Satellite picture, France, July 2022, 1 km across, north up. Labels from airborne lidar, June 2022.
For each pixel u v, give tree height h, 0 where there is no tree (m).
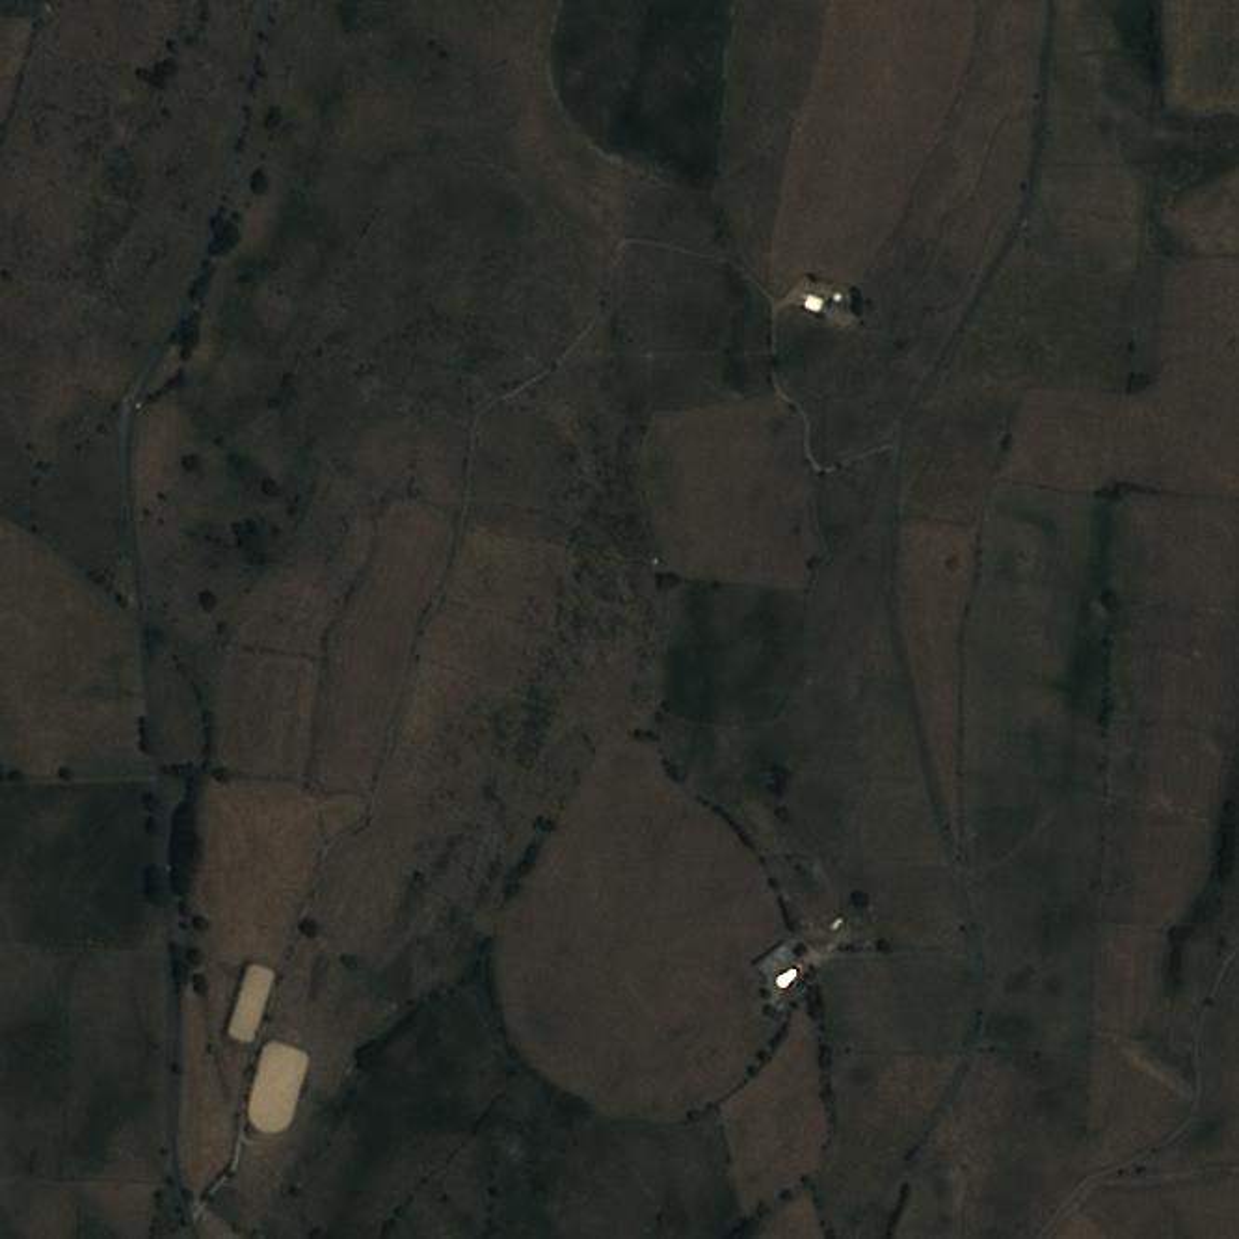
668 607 0
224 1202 0
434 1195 0
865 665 0
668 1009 0
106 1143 0
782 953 0
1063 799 0
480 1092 0
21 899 0
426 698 0
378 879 0
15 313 0
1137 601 0
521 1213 0
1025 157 0
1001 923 0
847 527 0
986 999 0
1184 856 0
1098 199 0
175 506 0
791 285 0
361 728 0
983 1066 0
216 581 0
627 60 0
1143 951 0
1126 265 0
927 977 0
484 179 0
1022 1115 0
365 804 0
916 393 0
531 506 0
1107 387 0
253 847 0
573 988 0
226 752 0
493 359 0
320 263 0
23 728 0
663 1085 0
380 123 0
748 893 0
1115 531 0
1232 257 0
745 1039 0
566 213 0
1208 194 0
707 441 0
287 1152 0
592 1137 0
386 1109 0
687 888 0
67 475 0
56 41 0
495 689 0
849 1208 0
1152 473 0
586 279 0
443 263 0
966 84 0
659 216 0
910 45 0
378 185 0
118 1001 0
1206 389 0
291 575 0
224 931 0
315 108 0
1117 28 0
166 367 0
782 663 0
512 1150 0
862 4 0
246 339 0
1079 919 0
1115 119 0
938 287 0
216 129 0
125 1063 0
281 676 0
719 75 0
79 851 0
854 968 0
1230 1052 0
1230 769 0
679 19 0
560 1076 0
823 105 0
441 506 0
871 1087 0
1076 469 0
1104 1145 0
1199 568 0
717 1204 0
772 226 0
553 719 0
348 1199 0
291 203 0
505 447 0
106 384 0
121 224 0
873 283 0
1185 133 0
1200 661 0
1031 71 0
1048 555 0
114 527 0
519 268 0
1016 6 0
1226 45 0
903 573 0
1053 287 0
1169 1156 0
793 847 0
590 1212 0
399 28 0
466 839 0
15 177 0
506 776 0
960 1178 0
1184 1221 0
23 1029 0
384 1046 6
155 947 0
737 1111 0
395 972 0
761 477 0
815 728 0
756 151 0
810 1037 0
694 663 0
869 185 0
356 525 0
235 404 0
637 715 0
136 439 0
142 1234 0
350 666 0
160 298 0
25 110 0
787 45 0
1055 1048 0
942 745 0
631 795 0
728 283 0
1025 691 0
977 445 0
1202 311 0
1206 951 0
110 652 0
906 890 0
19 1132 0
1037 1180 0
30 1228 0
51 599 0
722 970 0
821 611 0
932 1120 0
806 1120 0
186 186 0
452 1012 0
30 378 0
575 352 0
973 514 0
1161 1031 0
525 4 0
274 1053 0
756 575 0
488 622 0
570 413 0
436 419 0
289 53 0
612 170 0
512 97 0
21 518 0
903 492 0
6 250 0
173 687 0
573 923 0
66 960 0
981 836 0
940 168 0
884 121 0
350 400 0
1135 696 0
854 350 0
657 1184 0
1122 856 0
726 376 0
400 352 0
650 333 0
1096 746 0
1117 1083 0
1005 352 0
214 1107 0
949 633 0
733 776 0
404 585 0
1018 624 0
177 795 0
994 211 0
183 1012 0
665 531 0
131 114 0
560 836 0
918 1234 0
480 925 0
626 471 0
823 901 0
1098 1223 0
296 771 0
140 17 0
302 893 0
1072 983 0
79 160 0
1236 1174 0
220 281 0
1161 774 0
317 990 0
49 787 0
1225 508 0
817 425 0
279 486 9
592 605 0
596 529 0
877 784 0
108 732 0
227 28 0
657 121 0
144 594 0
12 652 0
